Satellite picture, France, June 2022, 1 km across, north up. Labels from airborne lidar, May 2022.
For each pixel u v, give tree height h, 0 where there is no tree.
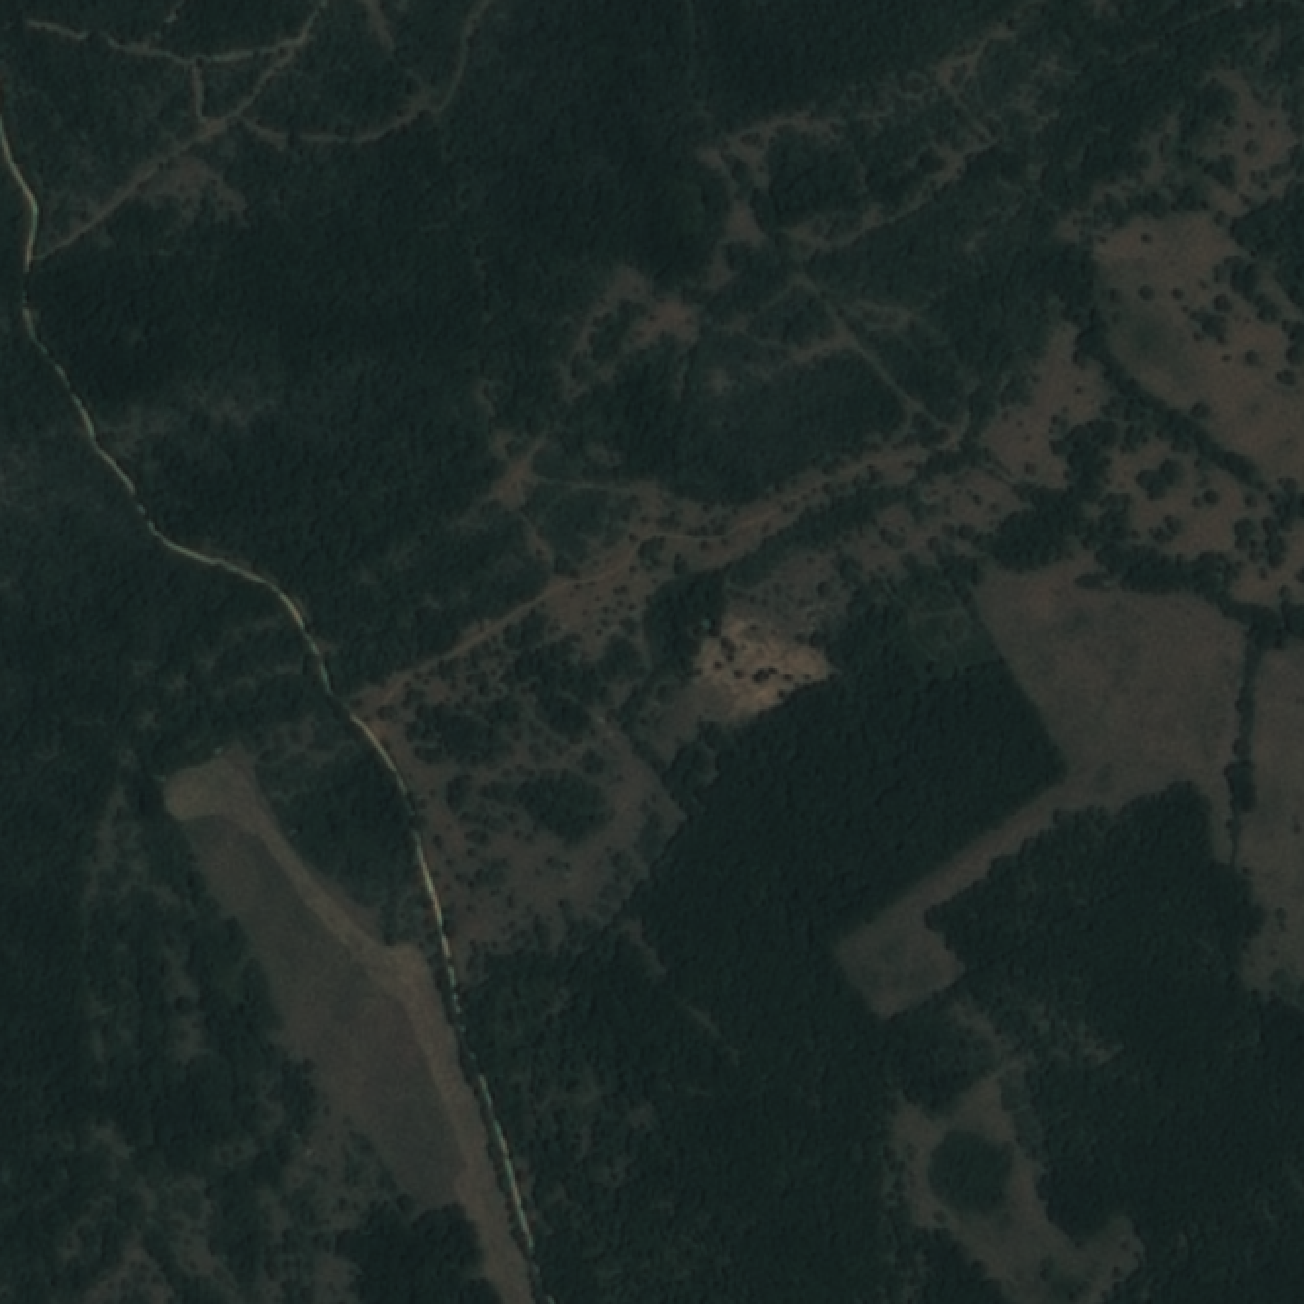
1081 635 0
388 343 11
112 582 9
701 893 11
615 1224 8
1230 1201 12
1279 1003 12
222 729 10
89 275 9
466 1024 11
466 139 6
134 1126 12
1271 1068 13
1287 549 8
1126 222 9
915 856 10
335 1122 0
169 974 7
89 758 7
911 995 0
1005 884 10
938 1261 13
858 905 12
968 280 6
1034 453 0
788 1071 8
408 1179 0
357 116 6
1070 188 10
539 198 8
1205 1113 8
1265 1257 15
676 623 13
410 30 9
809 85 7
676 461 12
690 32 6
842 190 10
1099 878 6
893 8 7
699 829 13
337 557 11
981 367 9
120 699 7
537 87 9
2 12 8
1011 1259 0
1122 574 7
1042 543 11
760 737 13
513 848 0
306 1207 9
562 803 6
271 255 8
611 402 10
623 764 0
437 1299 9
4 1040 7
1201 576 10
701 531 6
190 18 10
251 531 9
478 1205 0
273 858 0
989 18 6
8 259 10
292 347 8
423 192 8
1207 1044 11
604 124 12
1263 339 0
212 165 6
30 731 10
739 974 9
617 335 9
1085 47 9
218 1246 8
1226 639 0
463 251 8
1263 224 13
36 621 9
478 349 9
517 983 10
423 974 0
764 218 10
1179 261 0
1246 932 11
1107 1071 10
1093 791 0
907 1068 17
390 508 10
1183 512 0
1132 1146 10
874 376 6
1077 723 0
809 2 8
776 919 13
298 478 11
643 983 10
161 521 8
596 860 0
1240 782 15
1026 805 12
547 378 8
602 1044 12
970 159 7
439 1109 0
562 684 8
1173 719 0
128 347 14
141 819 6
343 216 9
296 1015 0
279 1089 7
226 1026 12
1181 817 7
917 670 14
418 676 6
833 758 13
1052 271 14
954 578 11
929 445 8
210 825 0
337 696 8
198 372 7
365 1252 13
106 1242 7
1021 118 7
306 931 0
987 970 9
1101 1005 11
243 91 9
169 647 7
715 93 9
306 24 7
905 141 5
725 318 11
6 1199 7
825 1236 13
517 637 6
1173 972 10
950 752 13
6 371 6
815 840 14
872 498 6
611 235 7
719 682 0
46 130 8
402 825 11
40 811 10
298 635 7
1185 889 9
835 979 12
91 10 9
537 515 9
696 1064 10
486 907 0
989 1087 0
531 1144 8
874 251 6
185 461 10
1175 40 12
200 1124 13
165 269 8
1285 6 6
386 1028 0
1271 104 6
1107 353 14
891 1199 8
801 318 10
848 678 6
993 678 16
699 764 12
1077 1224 16
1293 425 0
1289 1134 14
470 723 10
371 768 10
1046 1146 8
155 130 7
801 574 0
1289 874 0
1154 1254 11
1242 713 7
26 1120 6
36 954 7
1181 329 0
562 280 7
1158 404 10
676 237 12
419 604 9
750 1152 10
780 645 0
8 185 9
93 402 9
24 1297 8
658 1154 7
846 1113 11
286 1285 8
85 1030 9
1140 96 10
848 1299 9
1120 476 0
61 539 8
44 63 10
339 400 6
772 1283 11
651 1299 6
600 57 12
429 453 7
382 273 9
